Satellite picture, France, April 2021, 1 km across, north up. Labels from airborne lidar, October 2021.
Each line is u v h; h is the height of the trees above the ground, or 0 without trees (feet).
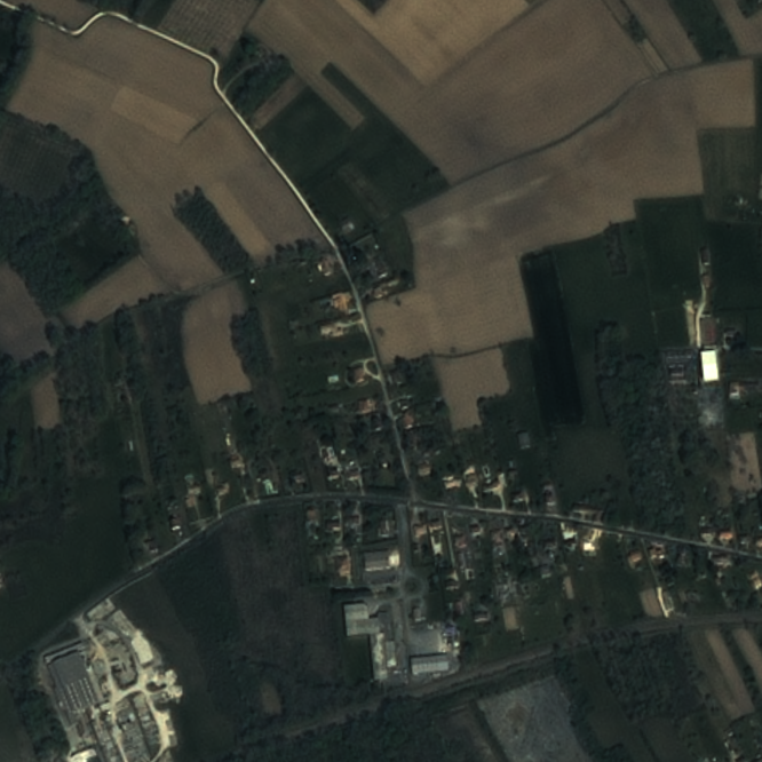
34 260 82
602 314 0
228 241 51
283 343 0
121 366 0
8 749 0
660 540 0
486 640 0
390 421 52
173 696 0
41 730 79
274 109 0
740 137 0
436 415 46
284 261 49
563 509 0
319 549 28
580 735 25
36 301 59
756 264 0
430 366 36
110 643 0
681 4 0
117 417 34
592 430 0
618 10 0
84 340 53
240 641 24
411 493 51
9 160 0
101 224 75
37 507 0
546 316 0
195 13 0
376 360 0
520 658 0
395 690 44
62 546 0
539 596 0
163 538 0
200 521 0
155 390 0
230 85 0
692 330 0
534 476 0
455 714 0
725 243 0
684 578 0
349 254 50
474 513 0
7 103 44
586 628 0
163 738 0
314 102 0
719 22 26
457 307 0
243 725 49
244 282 0
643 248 0
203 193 41
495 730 0
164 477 44
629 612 0
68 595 0
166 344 0
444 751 28
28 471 0
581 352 0
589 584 0
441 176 45
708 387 22
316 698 50
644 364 61
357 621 0
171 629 0
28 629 0
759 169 0
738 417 0
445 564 23
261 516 0
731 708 0
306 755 77
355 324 0
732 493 37
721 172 0
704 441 37
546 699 0
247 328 61
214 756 0
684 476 0
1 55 0
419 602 0
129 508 69
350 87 0
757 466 0
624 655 20
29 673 67
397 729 82
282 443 0
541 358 0
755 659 0
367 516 21
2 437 0
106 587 0
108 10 56
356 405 24
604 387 57
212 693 24
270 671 54
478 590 0
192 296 0
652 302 0
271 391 22
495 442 18
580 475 0
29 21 71
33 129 59
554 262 0
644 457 52
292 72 25
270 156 42
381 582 0
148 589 0
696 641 0
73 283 85
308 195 20
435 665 0
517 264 0
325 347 0
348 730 21
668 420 51
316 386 0
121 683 0
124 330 55
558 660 23
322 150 0
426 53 0
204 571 19
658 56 0
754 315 0
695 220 0
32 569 0
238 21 0
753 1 24
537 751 0
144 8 60
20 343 0
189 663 0
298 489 31
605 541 0
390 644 0
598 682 0
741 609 27
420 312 0
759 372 0
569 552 21
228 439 0
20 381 69
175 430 36
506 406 0
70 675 0
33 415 0
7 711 0
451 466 23
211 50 0
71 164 0
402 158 0
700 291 0
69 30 44
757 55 0
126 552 0
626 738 0
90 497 0
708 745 0
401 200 0
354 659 0
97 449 25
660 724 0
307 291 0
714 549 0
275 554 26
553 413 0
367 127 0
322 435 27
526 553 22
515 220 0
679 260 0
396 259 0
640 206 0
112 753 0
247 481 44
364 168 0
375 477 39
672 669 25
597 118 0
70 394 46
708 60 0
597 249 0
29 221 72
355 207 0
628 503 0
